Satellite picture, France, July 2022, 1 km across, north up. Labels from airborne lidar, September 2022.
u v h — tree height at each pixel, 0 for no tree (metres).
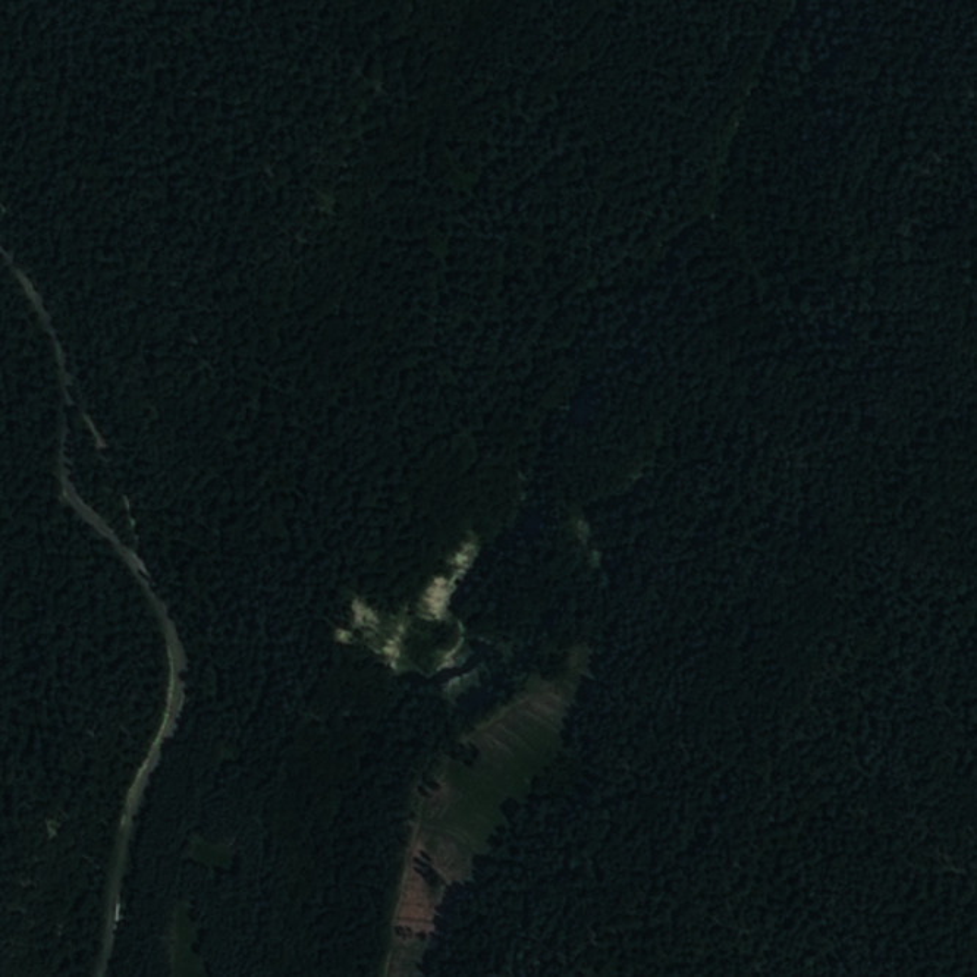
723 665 30
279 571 32
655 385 34
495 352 34
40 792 6
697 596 22
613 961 18
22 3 24
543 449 22
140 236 17
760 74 7
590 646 20
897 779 26
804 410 18
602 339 7
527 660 10
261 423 22
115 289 16
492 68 26
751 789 14
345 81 25
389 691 21
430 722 35
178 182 23
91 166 16
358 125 33
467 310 26
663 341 30
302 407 30
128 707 29
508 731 0
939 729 22
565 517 23
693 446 17
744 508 27
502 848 34
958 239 22
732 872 23
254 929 32
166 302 10
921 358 21
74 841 21
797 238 22
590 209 29
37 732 19
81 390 8
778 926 9
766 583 17
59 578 25
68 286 22
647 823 28
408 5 25
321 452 29
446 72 32
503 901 29
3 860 19
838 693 14
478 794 0
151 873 25
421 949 0
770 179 19
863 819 12
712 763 19
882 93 31
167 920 29
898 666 30
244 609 28
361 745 39
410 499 28
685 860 28
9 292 13
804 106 22
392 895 17
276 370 29
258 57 16
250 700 18
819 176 30
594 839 20
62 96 23
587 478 22
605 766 26
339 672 32
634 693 24
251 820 0
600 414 34
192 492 23
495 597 27
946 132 20
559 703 0
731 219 23
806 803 19
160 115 21
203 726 27
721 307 23
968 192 11
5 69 22
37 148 16
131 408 12
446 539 24
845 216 22
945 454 24
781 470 18
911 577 25
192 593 16
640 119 24
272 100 18
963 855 14
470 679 0
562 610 15
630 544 21
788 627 22
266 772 19
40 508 21
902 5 34
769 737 22
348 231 16
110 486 13
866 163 17
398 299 29
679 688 29
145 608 20
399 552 29
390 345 28
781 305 26
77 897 24
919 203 19
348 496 30
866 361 22
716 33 26
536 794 10
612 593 29
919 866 24
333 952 22
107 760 27
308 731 35
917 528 21
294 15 18
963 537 19
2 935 18
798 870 22
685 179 24
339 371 20
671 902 17
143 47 17
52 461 23
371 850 30
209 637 42
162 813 24
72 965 29
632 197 24
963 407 21
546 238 18
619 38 29
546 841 25
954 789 12
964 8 20
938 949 18
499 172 32
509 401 9
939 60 26
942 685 23
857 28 23
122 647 20
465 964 20
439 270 28
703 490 31
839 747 24
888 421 20
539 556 31
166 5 21
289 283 27
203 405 19
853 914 24
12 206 13
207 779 26
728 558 20
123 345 20
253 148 18
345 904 31
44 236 21
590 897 25
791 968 19
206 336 18
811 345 30
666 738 19
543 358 22
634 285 17
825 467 19
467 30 22
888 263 8
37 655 16
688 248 35
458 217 26
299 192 17
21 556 20
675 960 10
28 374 20
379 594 26
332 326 33
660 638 33
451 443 27
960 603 7
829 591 24
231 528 27
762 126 10
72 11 25
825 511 21
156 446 9
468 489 19
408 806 18
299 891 27
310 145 19
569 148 15
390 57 31
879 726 28
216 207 25
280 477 9
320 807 37
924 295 24
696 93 13
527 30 21
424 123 23
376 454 26
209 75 15
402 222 21
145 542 11
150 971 27
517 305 33
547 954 29
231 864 0
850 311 28
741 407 27
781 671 21
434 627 18
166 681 8
